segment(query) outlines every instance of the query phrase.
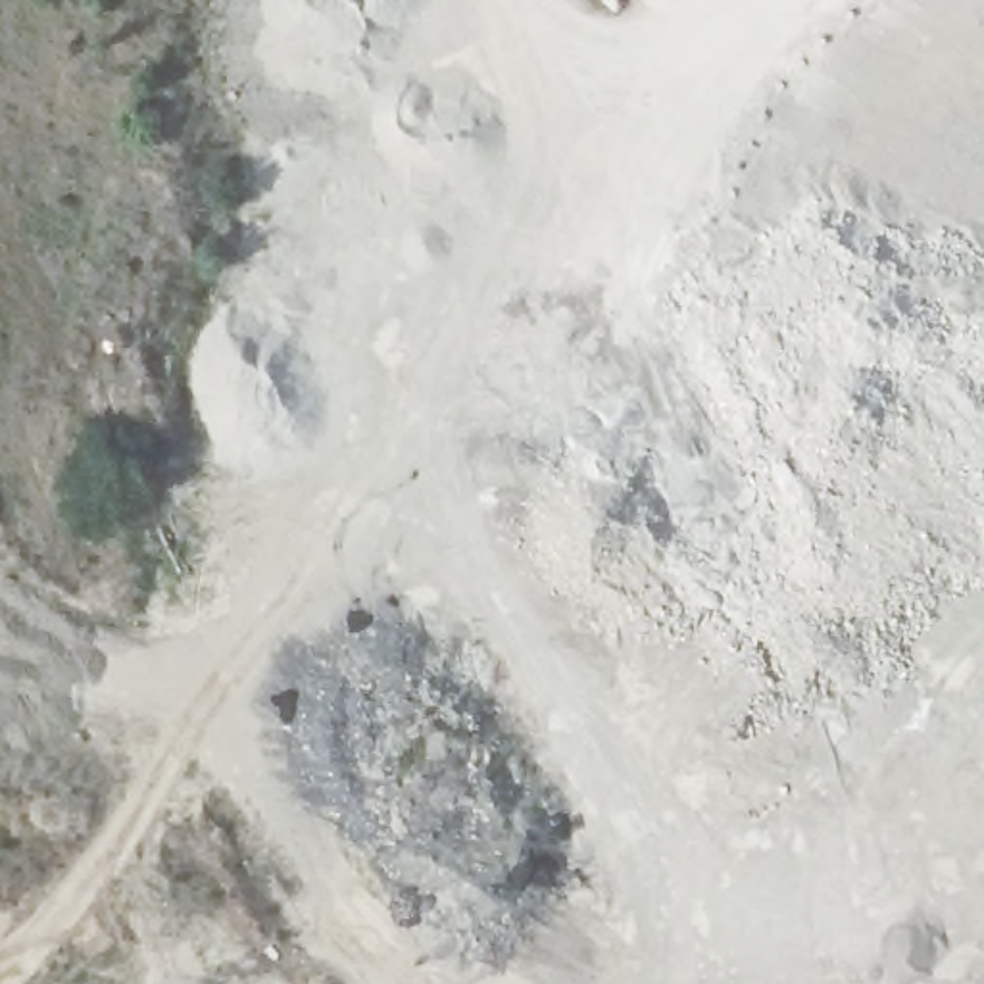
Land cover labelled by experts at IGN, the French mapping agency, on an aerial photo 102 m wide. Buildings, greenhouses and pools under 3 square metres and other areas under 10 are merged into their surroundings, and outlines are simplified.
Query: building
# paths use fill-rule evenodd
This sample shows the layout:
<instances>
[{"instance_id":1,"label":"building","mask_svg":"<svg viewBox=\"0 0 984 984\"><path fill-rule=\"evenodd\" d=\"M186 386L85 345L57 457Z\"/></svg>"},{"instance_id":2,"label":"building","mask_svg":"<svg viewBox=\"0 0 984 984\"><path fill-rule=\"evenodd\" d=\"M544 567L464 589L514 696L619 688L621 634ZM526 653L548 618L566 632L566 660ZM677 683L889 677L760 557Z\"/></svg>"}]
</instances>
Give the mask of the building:
<instances>
[{"instance_id":1,"label":"building","mask_svg":"<svg viewBox=\"0 0 984 984\"><path fill-rule=\"evenodd\" d=\"M630 8L630 0L600 0L600 19L619 19Z\"/></svg>"}]
</instances>

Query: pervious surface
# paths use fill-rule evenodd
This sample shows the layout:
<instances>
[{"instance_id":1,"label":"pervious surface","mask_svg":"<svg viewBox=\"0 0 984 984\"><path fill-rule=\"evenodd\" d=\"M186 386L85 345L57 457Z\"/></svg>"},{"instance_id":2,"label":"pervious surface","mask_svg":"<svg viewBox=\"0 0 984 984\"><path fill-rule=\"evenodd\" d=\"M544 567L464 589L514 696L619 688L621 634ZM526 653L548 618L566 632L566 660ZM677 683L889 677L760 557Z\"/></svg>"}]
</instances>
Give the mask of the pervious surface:
<instances>
[{"instance_id":1,"label":"pervious surface","mask_svg":"<svg viewBox=\"0 0 984 984\"><path fill-rule=\"evenodd\" d=\"M100 976L88 976L88 984L984 984L984 0L630 0L630 8L619 19L600 19L600 0L211 0L215 19L196 31L204 65L192 69L185 81L196 100L215 104L215 111L223 115L223 138L231 138L242 154L258 161L254 173L265 185L265 192L258 200L246 200L242 208L242 219L246 227L261 231L265 250L223 273L219 288L211 292L211 319L196 338L188 373L192 404L208 431L208 454L200 477L169 492L165 511L177 538L188 542L196 573L181 580L181 603L165 603L165 596L154 592L146 611L135 611L127 600L115 600L111 580L65 592L62 584L50 584L31 569L19 584L8 584L8 569L19 557L12 546L4 546L0 534L0 734L15 750L27 750L31 738L46 738L46 750L54 750L58 757L65 757L69 750L96 750L104 769L111 773L108 819L92 846L77 853L77 861L58 880L50 880L38 892L23 892L19 903L0 911L0 984L31 984L31 976L46 969L50 953L62 942L96 953L111 946L123 953L119 965L100 969Z\"/></svg>"},{"instance_id":2,"label":"pervious surface","mask_svg":"<svg viewBox=\"0 0 984 984\"><path fill-rule=\"evenodd\" d=\"M85 400L96 415L127 411L150 419L154 427L165 423L165 407L146 381L142 354L115 338L100 338L96 373L85 384Z\"/></svg>"},{"instance_id":3,"label":"pervious surface","mask_svg":"<svg viewBox=\"0 0 984 984\"><path fill-rule=\"evenodd\" d=\"M69 807L46 796L31 800L35 830L65 834Z\"/></svg>"}]
</instances>

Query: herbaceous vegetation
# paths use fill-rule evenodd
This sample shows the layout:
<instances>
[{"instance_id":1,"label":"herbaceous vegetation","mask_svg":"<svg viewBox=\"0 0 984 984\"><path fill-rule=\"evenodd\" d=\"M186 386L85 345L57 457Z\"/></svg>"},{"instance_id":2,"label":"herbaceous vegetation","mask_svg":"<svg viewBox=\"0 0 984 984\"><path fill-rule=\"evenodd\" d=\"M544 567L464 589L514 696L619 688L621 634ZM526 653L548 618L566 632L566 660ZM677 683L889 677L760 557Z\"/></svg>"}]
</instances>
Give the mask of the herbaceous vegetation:
<instances>
[{"instance_id":1,"label":"herbaceous vegetation","mask_svg":"<svg viewBox=\"0 0 984 984\"><path fill-rule=\"evenodd\" d=\"M35 830L31 800L46 796L69 807L65 834ZM23 892L38 892L50 880L58 880L77 861L77 853L92 846L108 819L111 773L104 769L96 750L69 750L65 757L58 757L54 750L46 750L46 738L31 738L27 750L15 750L0 734L0 911L19 903Z\"/></svg>"},{"instance_id":2,"label":"herbaceous vegetation","mask_svg":"<svg viewBox=\"0 0 984 984\"><path fill-rule=\"evenodd\" d=\"M88 976L100 976L100 969L119 965L123 953L111 946L96 953L62 942L50 953L46 969L31 976L31 984L88 984Z\"/></svg>"},{"instance_id":3,"label":"herbaceous vegetation","mask_svg":"<svg viewBox=\"0 0 984 984\"><path fill-rule=\"evenodd\" d=\"M200 173L231 181L227 196L242 208L246 200L258 200L265 192L265 185L254 173L258 161L242 154L231 138L223 138L223 115L215 111L215 104L196 100L185 81L192 69L204 65L196 31L215 19L211 0L0 0L0 534L4 546L12 546L19 557L8 569L8 584L19 584L31 569L50 584L62 584L65 592L111 580L115 600L127 600L135 611L146 611L154 592L165 596L165 603L181 603L181 580L196 573L188 542L177 538L165 511L154 527L123 527L108 542L73 538L65 530L65 523L58 519L62 511L54 480L65 457L73 454L73 438L96 415L85 400L85 384L96 373L100 338L115 338L142 354L146 346L158 346L165 354L165 369L188 373L196 338L211 319L211 292L219 288L223 273L265 250L261 231L246 227L242 219L227 231L208 223L200 208Z\"/></svg>"}]
</instances>

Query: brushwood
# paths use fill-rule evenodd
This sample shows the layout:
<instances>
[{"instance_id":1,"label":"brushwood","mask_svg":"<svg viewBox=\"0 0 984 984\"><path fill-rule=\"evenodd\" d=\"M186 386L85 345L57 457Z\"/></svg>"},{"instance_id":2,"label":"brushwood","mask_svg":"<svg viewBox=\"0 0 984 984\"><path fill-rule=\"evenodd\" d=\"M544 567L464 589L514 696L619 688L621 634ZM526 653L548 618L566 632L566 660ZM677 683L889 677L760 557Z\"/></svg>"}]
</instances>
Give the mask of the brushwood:
<instances>
[{"instance_id":1,"label":"brushwood","mask_svg":"<svg viewBox=\"0 0 984 984\"><path fill-rule=\"evenodd\" d=\"M242 208L227 196L231 181L200 173L200 208L208 223L227 231L242 219Z\"/></svg>"},{"instance_id":2,"label":"brushwood","mask_svg":"<svg viewBox=\"0 0 984 984\"><path fill-rule=\"evenodd\" d=\"M154 427L150 419L127 411L96 415L73 438L73 454L65 457L54 480L62 511L58 519L65 523L65 530L73 538L108 542L123 527L154 527L165 511L169 492L200 477L208 454L208 431L192 404L188 373L165 369L165 354L158 346L146 346L142 354L146 381L165 407L165 423Z\"/></svg>"}]
</instances>

